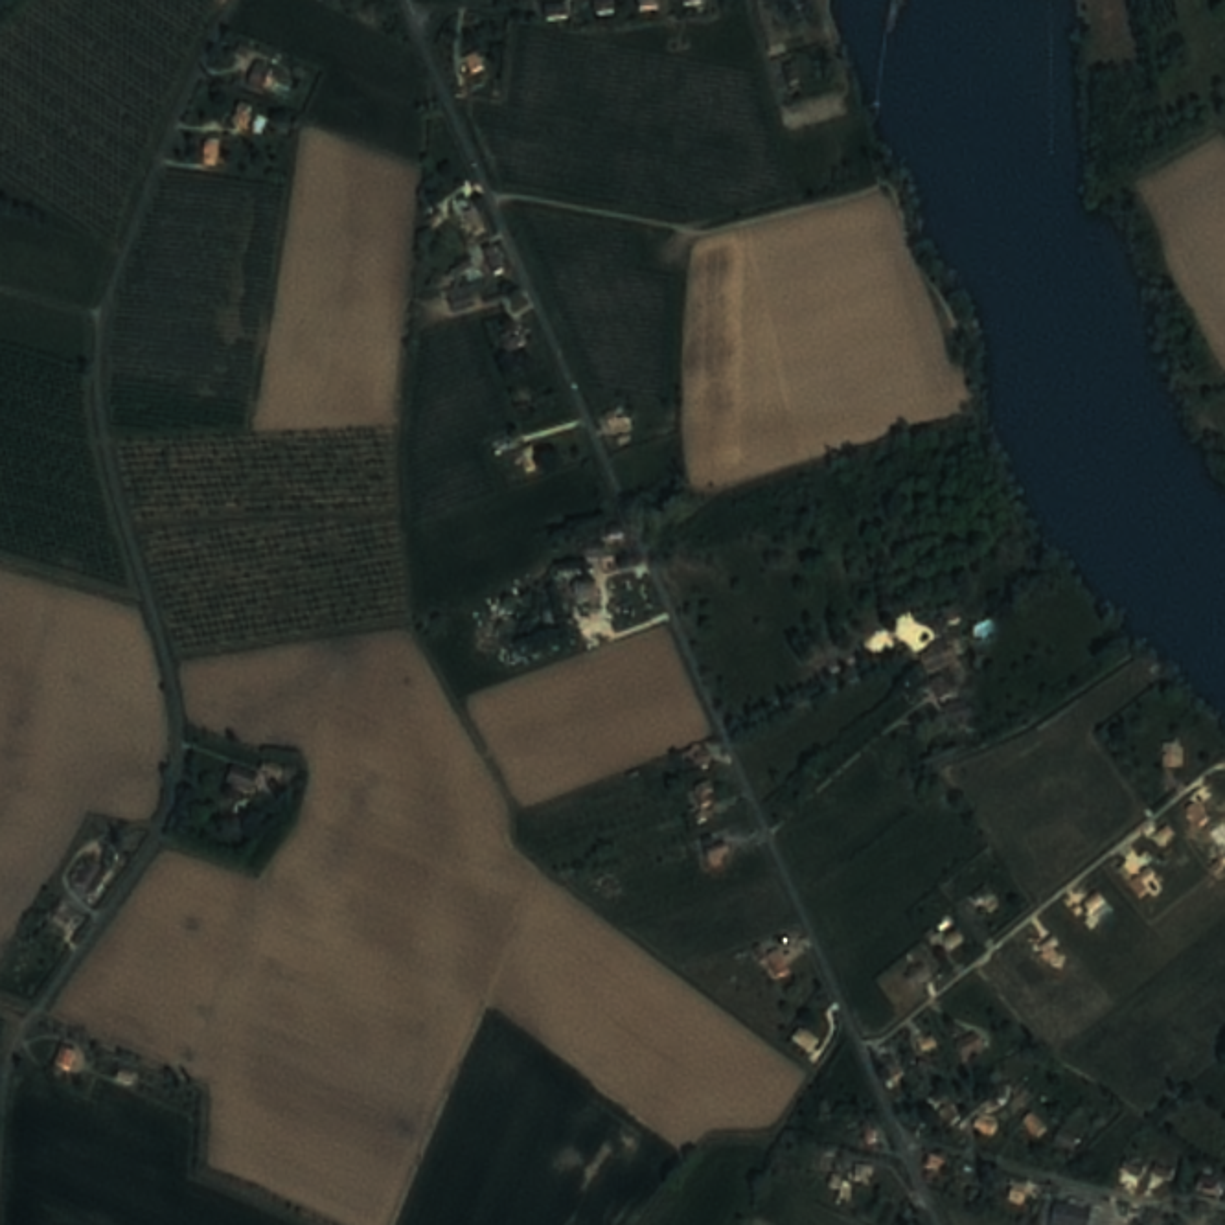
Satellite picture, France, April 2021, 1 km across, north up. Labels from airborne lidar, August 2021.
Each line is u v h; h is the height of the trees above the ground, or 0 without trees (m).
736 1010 0
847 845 0
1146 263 7
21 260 0
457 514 0
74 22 6
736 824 0
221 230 6
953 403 0
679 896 0
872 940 0
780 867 0
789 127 0
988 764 0
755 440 0
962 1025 0
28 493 6
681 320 0
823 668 0
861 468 17
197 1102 8
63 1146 0
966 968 0
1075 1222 0
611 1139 0
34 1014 0
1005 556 15
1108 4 0
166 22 6
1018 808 0
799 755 0
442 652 0
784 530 7
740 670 0
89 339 0
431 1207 0
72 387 6
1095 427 0
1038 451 0
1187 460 0
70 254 0
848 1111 7
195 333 6
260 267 7
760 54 0
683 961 0
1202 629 0
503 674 0
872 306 0
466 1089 0
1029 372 0
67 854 0
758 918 0
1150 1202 0
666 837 0
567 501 0
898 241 0
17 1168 0
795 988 11
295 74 7
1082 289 0
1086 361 0
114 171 6
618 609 0
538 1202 0
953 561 17
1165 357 11
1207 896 0
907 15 0
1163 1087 0
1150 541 0
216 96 10
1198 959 0
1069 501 0
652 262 0
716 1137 0
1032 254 0
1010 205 0
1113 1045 0
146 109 6
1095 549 0
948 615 0
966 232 0
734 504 6
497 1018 0
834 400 0
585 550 0
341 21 0
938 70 0
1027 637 0
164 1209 0
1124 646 16
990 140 0
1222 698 0
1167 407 0
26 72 6
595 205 0
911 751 0
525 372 16
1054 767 0
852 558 11
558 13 0
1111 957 0
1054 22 0
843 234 0
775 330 0
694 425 0
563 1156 0
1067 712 0
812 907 0
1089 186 12
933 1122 16
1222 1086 0
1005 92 0
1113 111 14
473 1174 0
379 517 0
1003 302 0
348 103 0
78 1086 13
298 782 12
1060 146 0
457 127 0
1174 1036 0
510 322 10
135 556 0
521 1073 0
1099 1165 8
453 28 8
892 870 0
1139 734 13
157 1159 0
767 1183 13
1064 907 0
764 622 9
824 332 0
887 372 0
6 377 7
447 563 0
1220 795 0
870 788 0
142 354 6
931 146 0
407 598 0
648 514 21
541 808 0
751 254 0
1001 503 15
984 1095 9
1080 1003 0
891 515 20
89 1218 0
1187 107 15
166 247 6
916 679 19
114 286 0
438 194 11
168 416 6
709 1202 0
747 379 0
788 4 9
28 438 7
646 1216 0
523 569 0
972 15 0
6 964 0
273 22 0
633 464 0
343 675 0
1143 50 16
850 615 9
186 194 6
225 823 13
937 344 0
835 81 24
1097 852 0
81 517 6
